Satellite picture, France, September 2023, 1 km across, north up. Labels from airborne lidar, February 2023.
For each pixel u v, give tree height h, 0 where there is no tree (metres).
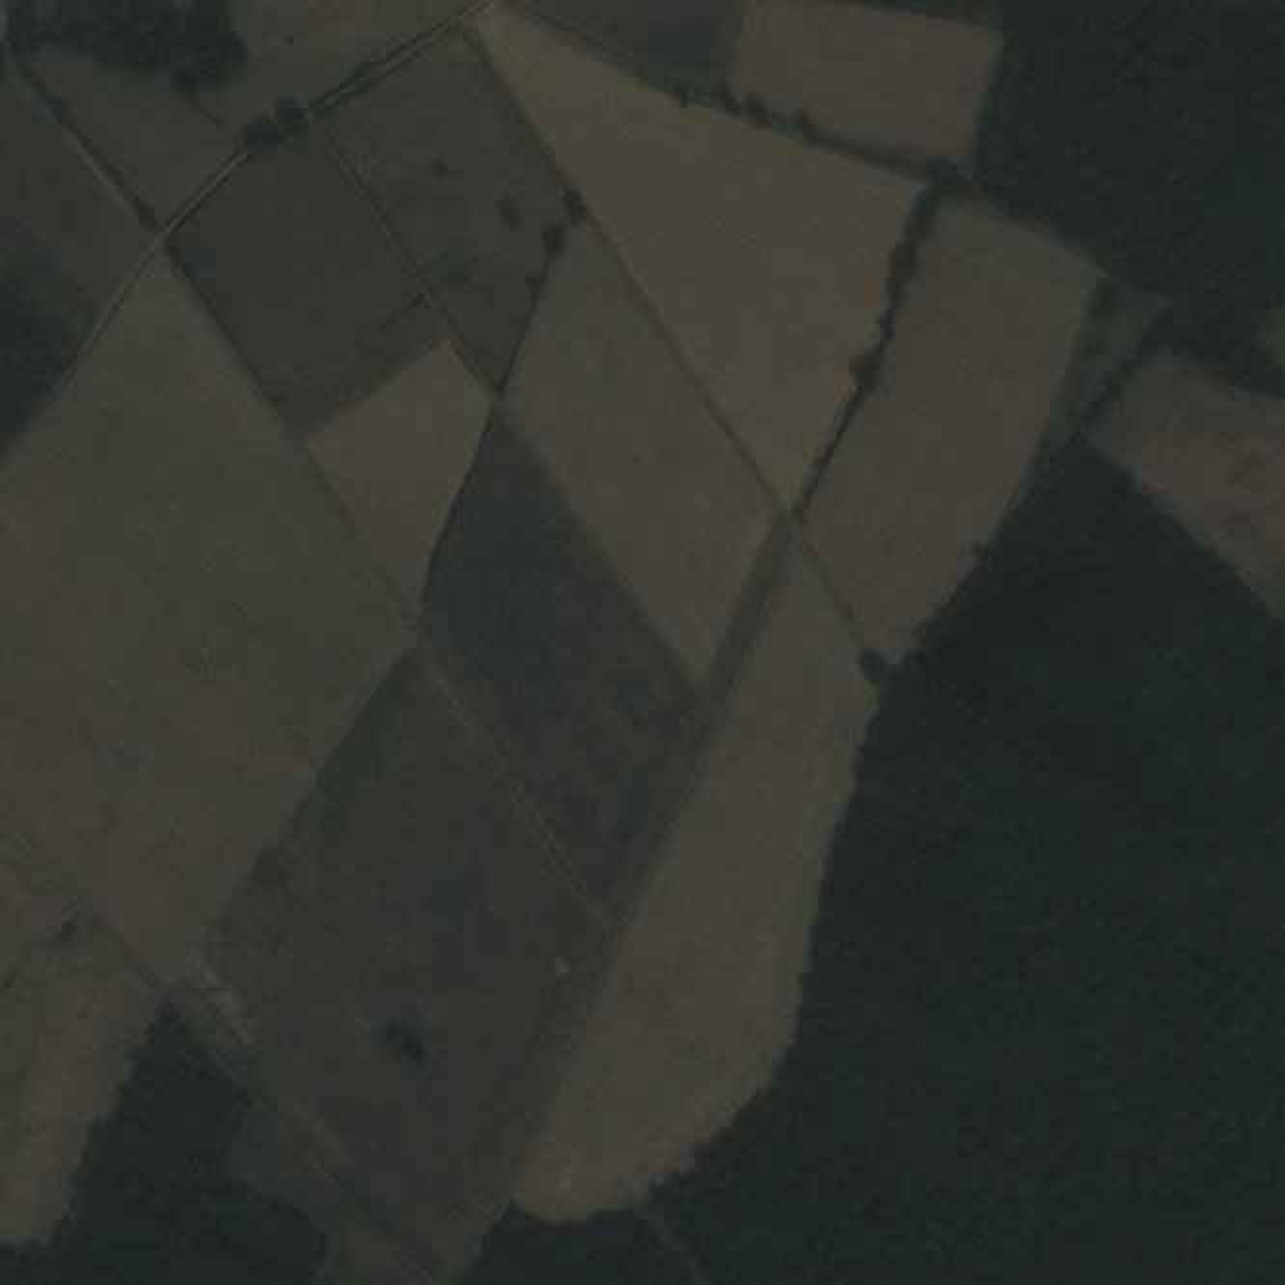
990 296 0
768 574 0
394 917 0
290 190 0
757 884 0
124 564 0
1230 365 15
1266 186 23
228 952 0
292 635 0
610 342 0
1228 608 6
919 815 17
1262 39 32
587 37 0
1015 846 29
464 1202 0
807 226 0
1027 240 0
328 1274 0
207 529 0
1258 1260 15
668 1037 0
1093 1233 21
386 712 0
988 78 0
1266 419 0
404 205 0
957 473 0
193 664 0
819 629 0
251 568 0
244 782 0
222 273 0
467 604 0
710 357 0
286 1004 0
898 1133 11
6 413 11
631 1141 0
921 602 0
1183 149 20
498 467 0
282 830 0
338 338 0
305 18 0
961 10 0
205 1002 0
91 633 0
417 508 0
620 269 0
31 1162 0
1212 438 0
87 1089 0
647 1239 13
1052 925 24
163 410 0
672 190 0
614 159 0
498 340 0
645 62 0
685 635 0
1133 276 20
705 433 0
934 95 0
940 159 0
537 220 0
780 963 0
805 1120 17
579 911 0
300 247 0
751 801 0
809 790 0
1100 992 10
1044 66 23
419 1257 0
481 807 0
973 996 19
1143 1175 22
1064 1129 19
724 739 0
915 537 0
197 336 0
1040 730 6
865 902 19
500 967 0
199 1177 14
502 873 0
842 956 20
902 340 0
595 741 0
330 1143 0
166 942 0
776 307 0
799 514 9
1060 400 0
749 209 0
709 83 0
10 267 0
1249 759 9
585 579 0
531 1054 0
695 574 0
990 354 0
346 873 0
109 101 0
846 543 0
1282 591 0
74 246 0
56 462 0
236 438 0
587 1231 9
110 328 0
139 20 18
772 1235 19
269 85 0
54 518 0
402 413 0
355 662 0
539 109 0
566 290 0
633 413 0
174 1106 22
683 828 0
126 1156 17
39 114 0
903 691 14
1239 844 10
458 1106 0
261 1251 0
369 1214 0
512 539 0
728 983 0
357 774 0
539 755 0
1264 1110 9
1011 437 0
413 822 0
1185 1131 25
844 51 0
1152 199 24
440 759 0
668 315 0
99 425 0
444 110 0
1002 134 17
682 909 0
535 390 0
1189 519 0
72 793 0
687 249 0
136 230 0
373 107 0
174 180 0
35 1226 0
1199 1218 20
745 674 0
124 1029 0
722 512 0
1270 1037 21
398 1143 0
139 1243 0
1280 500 0
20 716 0
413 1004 0
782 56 0
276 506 0
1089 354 0
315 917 0
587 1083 0
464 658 0
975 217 0
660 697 0
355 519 0
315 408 0
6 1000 0
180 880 0
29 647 0
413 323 0
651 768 0
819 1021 12
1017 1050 18
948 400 0
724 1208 18
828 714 0
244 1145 0
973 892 22
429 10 0
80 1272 24
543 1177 0
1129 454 0
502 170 0
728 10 0
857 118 0
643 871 0
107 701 0
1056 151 24
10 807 0
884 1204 24
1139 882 18
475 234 0
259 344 0
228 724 0
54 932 0
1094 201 19
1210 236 21
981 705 9
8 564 0
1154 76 25
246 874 0
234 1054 0
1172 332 14
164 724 0
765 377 0
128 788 0
